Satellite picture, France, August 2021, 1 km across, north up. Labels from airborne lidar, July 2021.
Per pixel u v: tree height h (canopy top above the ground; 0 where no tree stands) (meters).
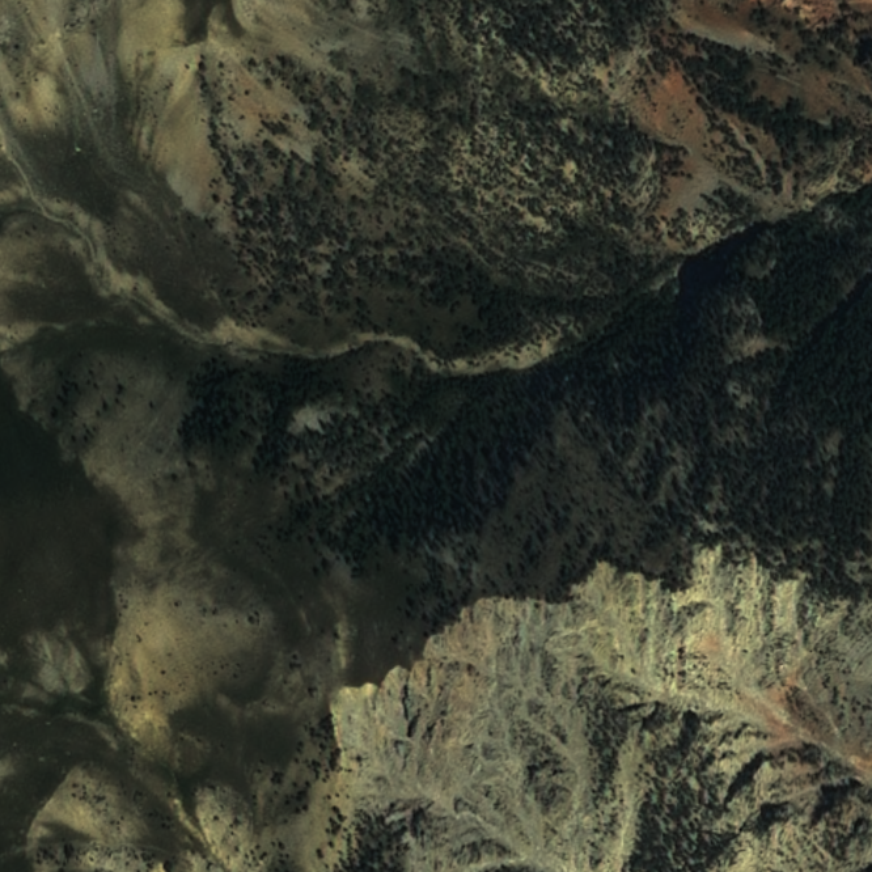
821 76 0
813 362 20
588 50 8
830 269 13
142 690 0
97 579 0
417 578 0
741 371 9
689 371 12
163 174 0
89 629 0
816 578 9
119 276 0
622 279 13
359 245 11
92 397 0
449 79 7
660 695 0
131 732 0
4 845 0
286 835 0
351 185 0
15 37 0
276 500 0
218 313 0
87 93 0
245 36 0
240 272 0
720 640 0
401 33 0
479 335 9
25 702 0
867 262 9
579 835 0
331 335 0
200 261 0
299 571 0
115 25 0
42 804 0
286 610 0
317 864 0
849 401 16
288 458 8
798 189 7
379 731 0
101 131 0
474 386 6
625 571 7
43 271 0
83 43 0
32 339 0
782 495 15
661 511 9
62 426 0
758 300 17
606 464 10
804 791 0
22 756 0
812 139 12
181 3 0
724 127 9
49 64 0
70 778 0
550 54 11
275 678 0
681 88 0
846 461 14
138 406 0
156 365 0
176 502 0
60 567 0
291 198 7
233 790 0
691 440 14
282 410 9
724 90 13
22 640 0
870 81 0
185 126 0
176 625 0
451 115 6
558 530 7
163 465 0
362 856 6
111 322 0
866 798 6
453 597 7
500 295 12
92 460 0
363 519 15
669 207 0
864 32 9
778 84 0
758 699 0
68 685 0
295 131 0
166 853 0
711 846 8
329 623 0
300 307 6
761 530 7
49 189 0
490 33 5
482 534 9
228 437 7
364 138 6
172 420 0
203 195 0
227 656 0
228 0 0
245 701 0
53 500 0
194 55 0
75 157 0
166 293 0
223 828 0
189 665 0
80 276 0
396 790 0
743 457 10
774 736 0
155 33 0
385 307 0
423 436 9
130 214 0
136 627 0
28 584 0
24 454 0
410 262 14
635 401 8
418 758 0
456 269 10
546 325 8
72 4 0
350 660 0
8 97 0
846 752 0
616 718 7
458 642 0
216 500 0
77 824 0
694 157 0
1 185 0
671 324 5
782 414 11
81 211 0
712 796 6
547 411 11
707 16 0
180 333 0
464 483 8
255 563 0
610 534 8
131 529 0
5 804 0
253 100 0
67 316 0
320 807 0
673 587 7
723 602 0
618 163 8
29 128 0
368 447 7
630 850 0
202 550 0
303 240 6
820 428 9
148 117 0
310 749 0
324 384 9
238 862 0
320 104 8
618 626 0
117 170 0
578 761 0
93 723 0
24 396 0
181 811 0
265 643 0
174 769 0
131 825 0
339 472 8
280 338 0
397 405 6
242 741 0
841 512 16
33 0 0
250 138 0
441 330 0
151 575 0
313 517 15
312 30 0
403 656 0
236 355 0
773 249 8
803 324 17
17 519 0
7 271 0
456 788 0
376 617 0
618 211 11
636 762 0
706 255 7
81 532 0
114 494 0
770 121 9
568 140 7
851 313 25
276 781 6
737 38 0
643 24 11
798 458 13
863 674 0
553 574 0
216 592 0
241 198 7
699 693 0
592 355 9
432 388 10
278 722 0
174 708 0
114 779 0
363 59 0
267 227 9
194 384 7
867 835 7
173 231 0
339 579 0
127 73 0
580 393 8
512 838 0
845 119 11
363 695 0
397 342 0
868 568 12
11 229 0
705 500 11
